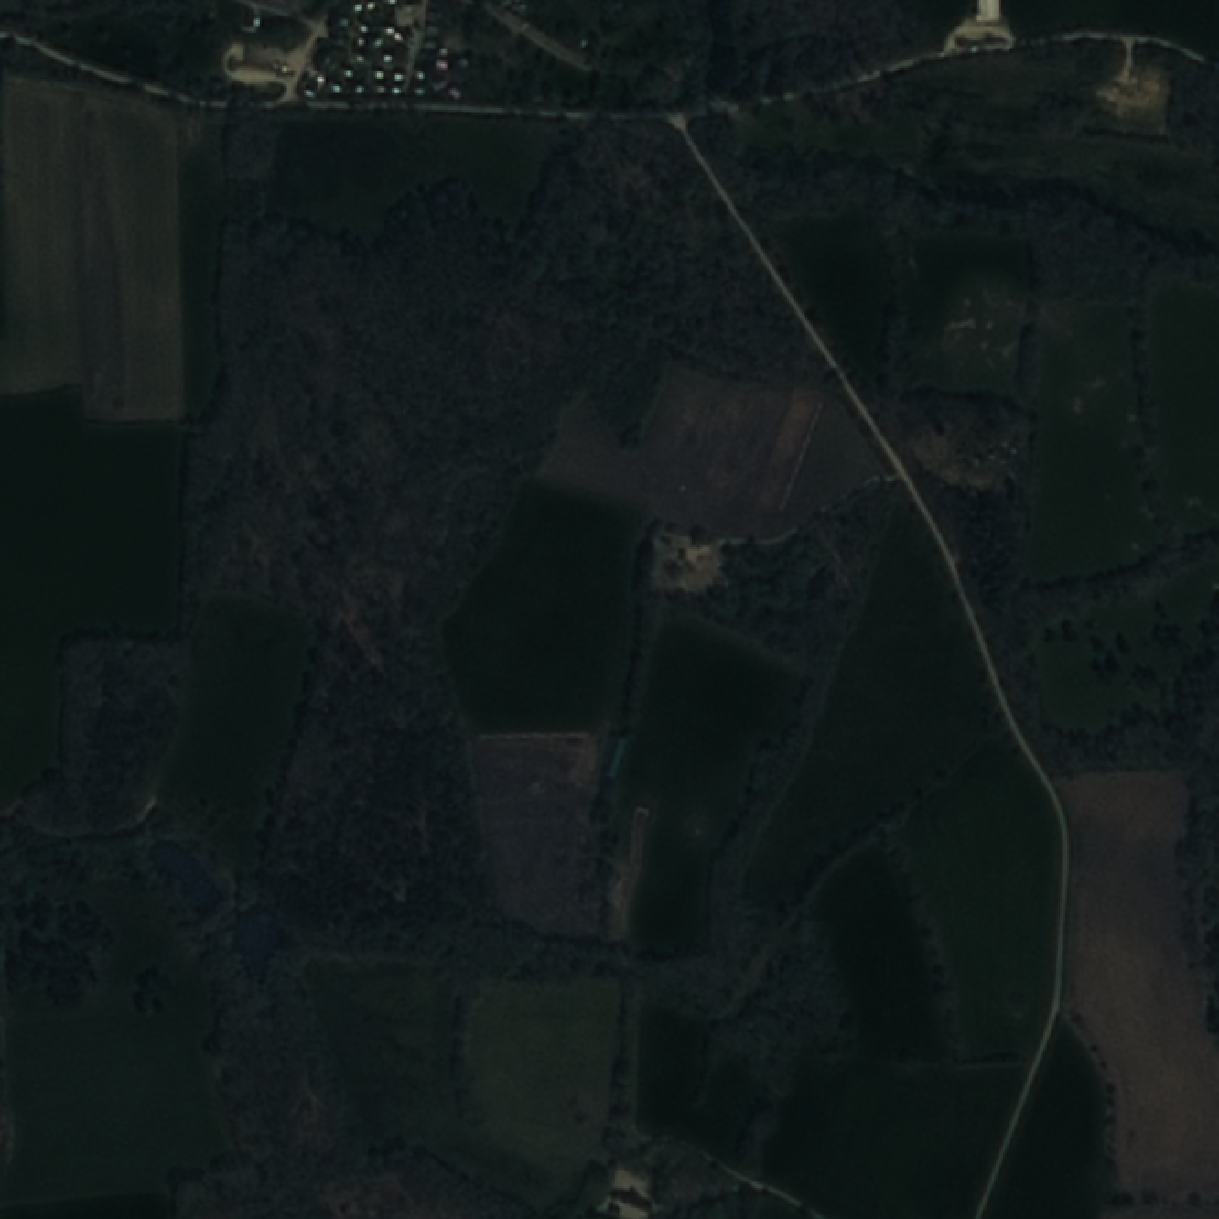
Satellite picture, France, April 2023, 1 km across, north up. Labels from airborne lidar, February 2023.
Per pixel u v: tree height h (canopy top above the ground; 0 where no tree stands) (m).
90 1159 0
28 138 0
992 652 8
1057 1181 0
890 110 10
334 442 11
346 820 12
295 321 14
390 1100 0
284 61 0
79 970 15
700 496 0
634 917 0
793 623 13
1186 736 20
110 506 0
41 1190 0
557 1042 0
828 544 10
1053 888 0
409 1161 16
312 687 16
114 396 0
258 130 19
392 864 11
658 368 11
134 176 0
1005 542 16
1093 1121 0
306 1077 6
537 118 8
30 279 0
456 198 18
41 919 18
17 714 0
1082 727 0
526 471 10
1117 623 0
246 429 17
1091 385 0
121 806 15
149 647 14
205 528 15
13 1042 0
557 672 0
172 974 0
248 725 0
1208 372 0
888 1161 0
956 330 0
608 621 0
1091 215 23
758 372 15
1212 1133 0
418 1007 0
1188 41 0
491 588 0
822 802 0
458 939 12
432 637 12
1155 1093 0
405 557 14
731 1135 0
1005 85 0
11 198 0
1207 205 0
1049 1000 0
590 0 0
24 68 7
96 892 0
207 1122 0
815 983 11
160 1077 0
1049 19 0
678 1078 0
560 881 0
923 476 15
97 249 0
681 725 0
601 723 0
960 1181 0
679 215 19
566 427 0
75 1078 0
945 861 0
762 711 0
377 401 16
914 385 0
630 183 9
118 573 0
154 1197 0
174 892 11
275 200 0
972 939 0
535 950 13
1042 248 16
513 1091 0
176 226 0
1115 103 0
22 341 0
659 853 0
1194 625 0
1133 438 0
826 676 10
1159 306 0
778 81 15
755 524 0
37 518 0
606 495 0
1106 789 0
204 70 0
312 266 15
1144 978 0
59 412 0
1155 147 6
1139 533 0
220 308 12
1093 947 0
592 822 8
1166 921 0
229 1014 16
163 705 20
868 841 8
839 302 0
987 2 0
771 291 15
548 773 0
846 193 14
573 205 14
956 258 0
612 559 0
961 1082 0
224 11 0
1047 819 0
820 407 0
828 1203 0
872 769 0
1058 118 15
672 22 14
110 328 0
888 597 0
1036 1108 0
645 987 14
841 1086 0
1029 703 9
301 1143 9
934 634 0
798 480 0
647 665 8
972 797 0
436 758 13
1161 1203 8
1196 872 15
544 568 0
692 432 0
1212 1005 12
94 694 16
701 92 11
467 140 0
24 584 0
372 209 0
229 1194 19
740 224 10
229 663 0
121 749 18
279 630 0
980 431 10
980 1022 0
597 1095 0
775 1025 14
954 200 15
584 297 20
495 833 0
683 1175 13
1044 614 15
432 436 13
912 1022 0
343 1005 0
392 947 10
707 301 17
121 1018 0
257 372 18
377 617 12
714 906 8
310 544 11
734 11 6
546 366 14
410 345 15
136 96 6
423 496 19
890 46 11
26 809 11
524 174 0
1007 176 0
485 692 0
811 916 11
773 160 0
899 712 0
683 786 0
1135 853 0
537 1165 0
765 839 0
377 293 18
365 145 0
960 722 0
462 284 15
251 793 0
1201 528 0
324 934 11
